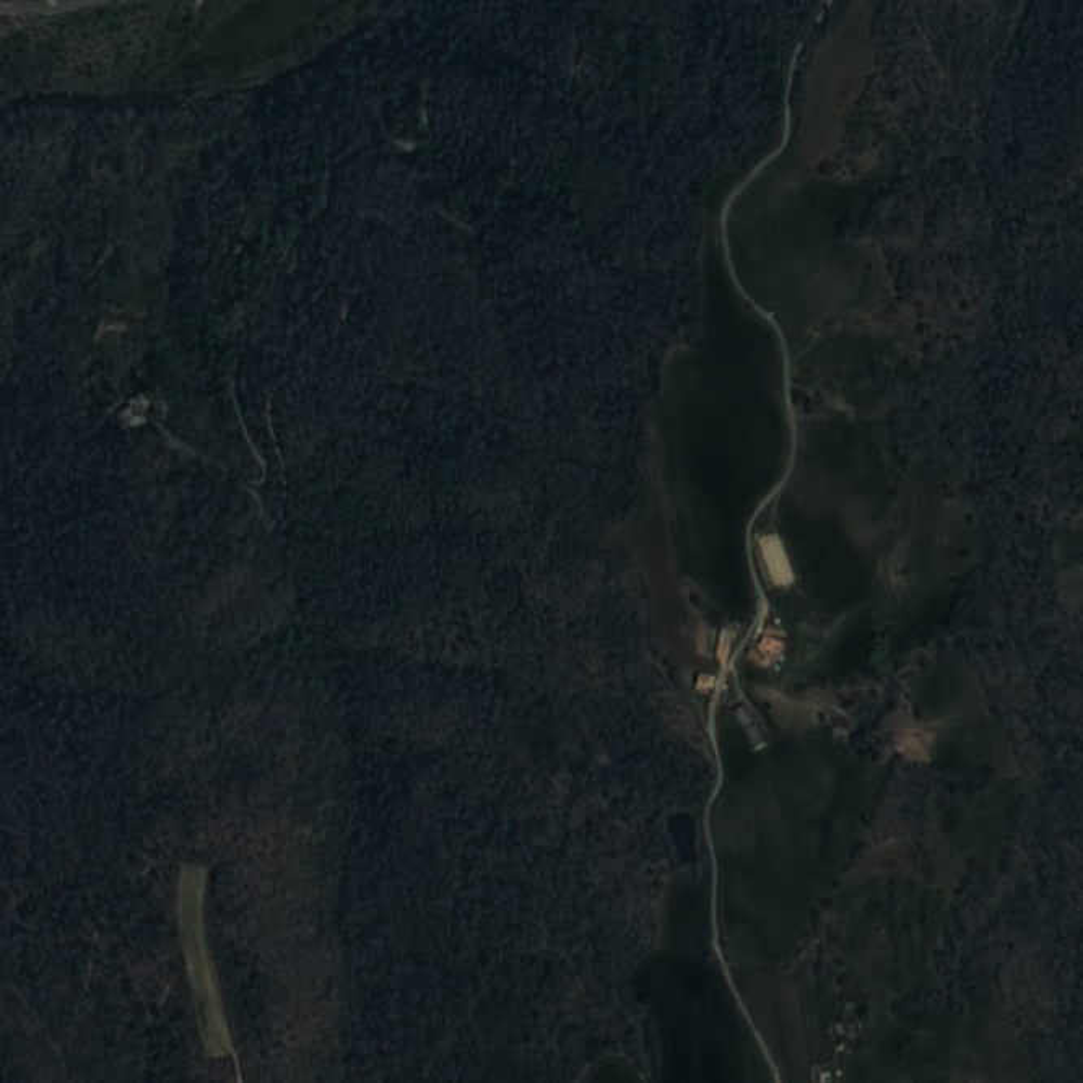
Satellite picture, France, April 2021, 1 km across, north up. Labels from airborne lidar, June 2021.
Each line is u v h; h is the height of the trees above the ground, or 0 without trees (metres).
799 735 0
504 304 7
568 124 13
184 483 11
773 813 0
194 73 10
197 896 0
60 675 12
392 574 10
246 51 0
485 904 8
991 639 14
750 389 0
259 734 15
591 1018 6
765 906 0
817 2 8
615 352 9
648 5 12
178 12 9
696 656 0
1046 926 13
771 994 0
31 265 16
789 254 0
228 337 8
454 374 12
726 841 0
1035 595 11
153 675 15
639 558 0
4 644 8
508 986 10
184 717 8
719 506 0
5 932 18
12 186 16
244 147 9
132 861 11
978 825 0
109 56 8
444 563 6
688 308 14
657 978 0
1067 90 9
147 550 11
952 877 0
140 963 9
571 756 6
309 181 14
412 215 9
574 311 7
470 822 19
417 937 11
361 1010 9
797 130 0
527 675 13
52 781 10
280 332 12
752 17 8
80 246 14
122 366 0
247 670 11
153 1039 13
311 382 15
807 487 0
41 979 11
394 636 6
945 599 0
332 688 11
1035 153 13
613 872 12
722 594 0
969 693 0
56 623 10
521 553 7
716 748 0
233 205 7
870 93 6
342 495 8
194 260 13
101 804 14
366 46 11
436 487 9
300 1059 12
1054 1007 19
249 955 10
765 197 0
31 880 11
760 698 0
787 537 0
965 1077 0
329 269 16
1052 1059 17
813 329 0
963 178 8
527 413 8
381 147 12
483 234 12
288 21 0
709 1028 0
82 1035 14
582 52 10
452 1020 15
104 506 13
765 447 0
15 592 10
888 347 0
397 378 18
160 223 21
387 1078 11
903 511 0
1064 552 0
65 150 12
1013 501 16
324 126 9
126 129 20
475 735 9
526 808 14
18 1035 11
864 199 0
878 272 0
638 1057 14
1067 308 9
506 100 7
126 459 16
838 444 0
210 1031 0
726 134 11
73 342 18
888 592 0
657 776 12
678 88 17
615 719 16
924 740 0
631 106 13
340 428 9
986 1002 0
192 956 0
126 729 11
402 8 18
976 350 13
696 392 0
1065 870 14
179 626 13
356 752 18
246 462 13
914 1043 0
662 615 0
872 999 0
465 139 5
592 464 16
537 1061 7
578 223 12
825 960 10
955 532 0
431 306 13
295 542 10
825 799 0
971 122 15
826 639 0
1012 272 13
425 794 10
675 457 0
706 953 7
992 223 12
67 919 10
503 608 10
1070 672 16
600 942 16
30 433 22
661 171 10
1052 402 6
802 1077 0
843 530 0
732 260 0
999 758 0
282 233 10
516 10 10
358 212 13
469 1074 16
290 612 5
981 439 16
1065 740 13
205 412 19
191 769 8
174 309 11
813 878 0
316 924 9
